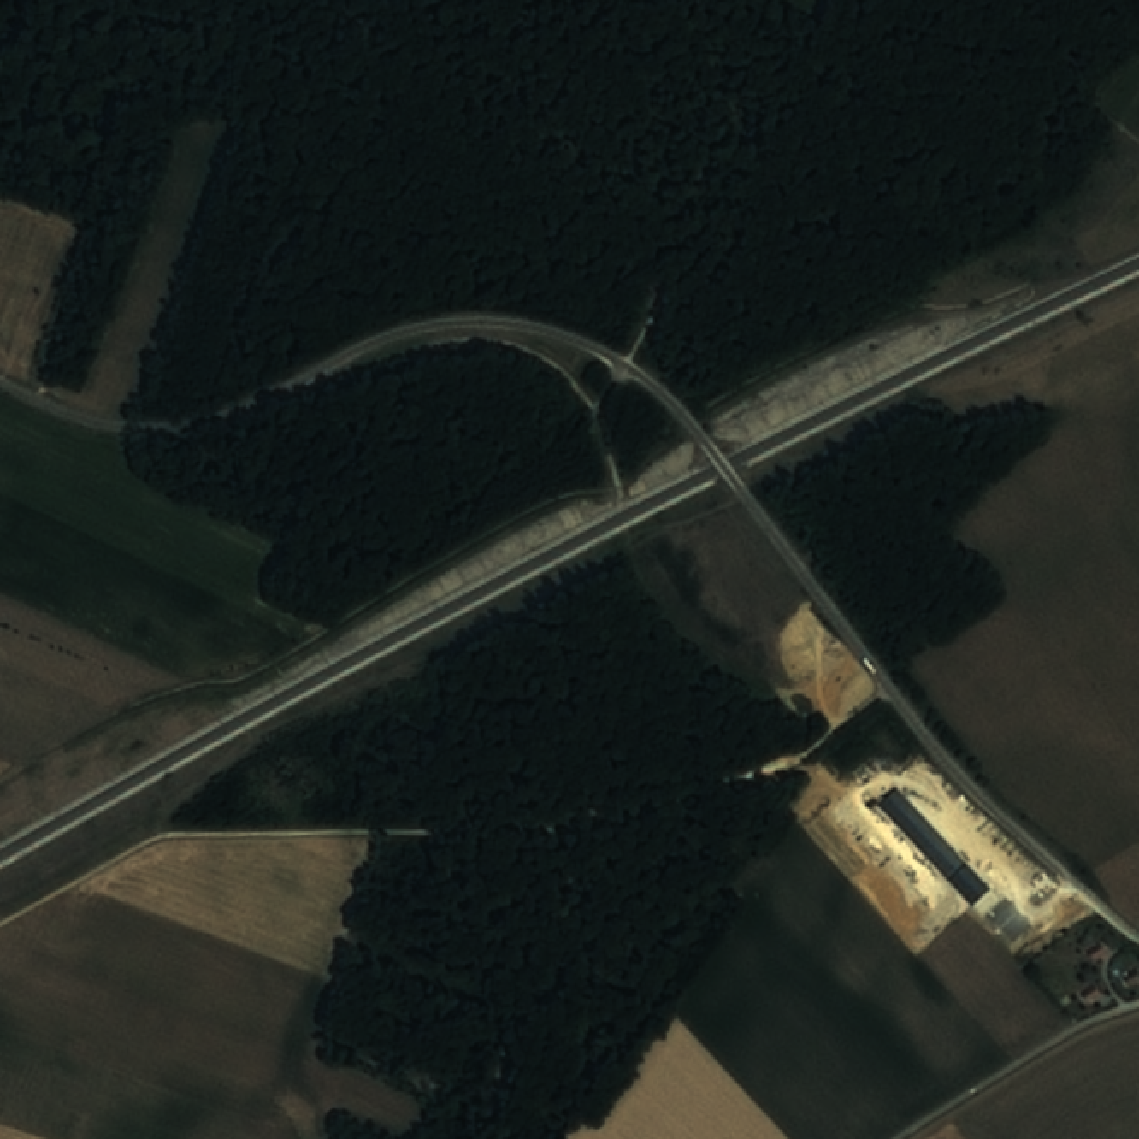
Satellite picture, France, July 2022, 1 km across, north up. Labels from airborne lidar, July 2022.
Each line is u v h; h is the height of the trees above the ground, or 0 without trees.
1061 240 0
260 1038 0
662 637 29
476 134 30
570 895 31
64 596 0
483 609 0
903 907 0
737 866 28
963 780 0
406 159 28
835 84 22
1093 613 0
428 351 6
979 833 0
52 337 6
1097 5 28
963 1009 0
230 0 29
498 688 30
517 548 0
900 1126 0
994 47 26
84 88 29
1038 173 29
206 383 22
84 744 0
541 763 28
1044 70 26
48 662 0
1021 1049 0
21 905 0
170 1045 0
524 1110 29
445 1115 17
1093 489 0
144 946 0
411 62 27
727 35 26
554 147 21
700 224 22
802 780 22
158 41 28
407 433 28
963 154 27
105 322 15
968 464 26
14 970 0
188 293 23
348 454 30
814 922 0
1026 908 0
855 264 30
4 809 0
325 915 0
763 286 24
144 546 0
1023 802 0
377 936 24
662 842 29
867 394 0
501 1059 7
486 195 30
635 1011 30
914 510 30
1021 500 0
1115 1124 0
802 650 0
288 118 31
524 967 28
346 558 31
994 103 26
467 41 27
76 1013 0
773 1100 0
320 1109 0
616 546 0
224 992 0
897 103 28
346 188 31
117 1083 0
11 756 0
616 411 9
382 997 31
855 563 29
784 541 0
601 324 30
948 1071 0
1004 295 0
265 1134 0
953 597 33
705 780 29
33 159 30
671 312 28
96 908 0
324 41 25
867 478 28
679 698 34
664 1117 0
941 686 0
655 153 10
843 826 0
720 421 0
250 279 16
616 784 26
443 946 28
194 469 30
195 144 0
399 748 26
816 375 0
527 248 28
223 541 0
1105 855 0
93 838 0
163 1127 0
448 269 28
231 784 7
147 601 0
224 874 0
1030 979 10
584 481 9
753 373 25
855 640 0
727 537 0
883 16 31
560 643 29
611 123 30
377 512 29
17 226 0
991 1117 0
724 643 0
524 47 27
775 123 27
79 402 0
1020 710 0
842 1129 0
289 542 28
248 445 25
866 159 29
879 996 0
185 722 0
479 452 29
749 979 0
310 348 25
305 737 7
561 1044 32
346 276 31
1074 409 0
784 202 27
